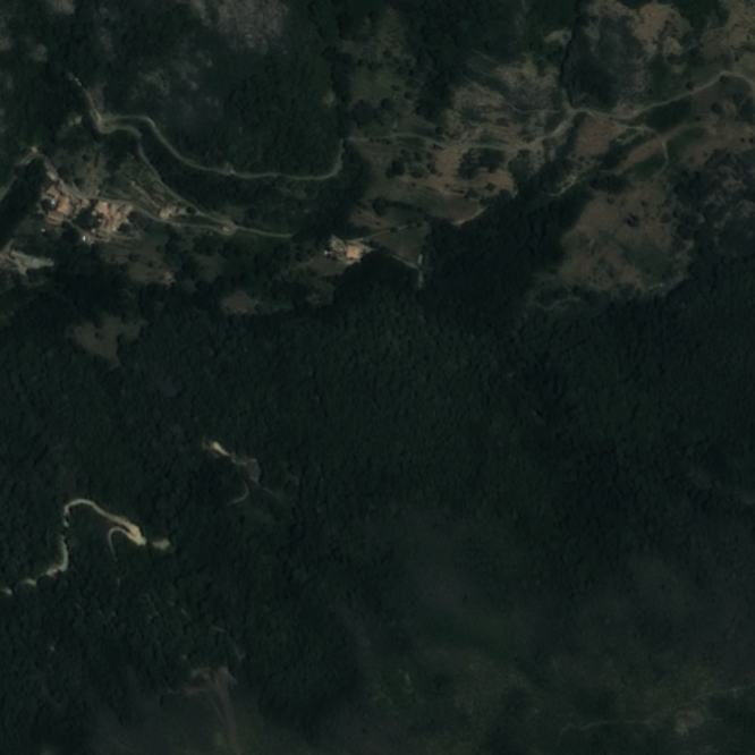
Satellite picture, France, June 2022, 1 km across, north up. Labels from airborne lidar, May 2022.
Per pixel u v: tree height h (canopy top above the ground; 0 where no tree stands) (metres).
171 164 7
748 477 12
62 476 10
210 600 13
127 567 7
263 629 16
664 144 0
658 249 0
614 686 0
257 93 16
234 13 0
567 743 0
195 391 8
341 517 11
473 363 13
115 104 7
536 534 14
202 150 10
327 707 10
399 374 12
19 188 9
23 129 10
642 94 0
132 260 11
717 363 11
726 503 7
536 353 20
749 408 17
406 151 7
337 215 19
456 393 13
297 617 15
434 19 13
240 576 7
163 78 6
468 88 0
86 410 13
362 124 30
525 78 0
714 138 0
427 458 13
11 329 13
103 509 9
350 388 16
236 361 15
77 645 6
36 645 12
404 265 9
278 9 0
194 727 0
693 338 12
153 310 21
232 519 9
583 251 0
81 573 11
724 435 17
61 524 13
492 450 9
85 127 10
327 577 12
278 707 10
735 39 0
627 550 6
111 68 13
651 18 0
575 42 21
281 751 0
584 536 15
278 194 7
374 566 13
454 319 8
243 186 18
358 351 13
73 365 10
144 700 0
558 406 13
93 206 11
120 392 18
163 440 15
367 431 12
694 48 6
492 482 10
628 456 21
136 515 8
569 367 21
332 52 13
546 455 11
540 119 0
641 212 0
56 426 8
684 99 0
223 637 9
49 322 14
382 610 7
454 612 0
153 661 10
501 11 11
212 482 10
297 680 15
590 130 0
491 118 0
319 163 9
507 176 0
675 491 10
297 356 13
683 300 21
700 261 8
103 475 14
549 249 11
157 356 11
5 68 10
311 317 24
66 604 13
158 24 12
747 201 7
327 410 12
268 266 14
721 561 6
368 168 10
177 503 13
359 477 14
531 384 16
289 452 10
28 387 11
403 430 11
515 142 0
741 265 15
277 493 0
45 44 9
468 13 9
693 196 9
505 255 22
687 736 0
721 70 0
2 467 10
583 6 21
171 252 15
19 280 9
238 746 0
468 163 6
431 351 15
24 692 11
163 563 16
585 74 8
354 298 23
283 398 12
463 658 0
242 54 0
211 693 0
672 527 12
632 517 13
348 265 0
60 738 9
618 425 8
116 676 9
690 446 9
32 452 7
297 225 7
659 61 0
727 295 18
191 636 11
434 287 10
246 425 10
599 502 11
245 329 19
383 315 12
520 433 10
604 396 17
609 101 7
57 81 17
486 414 9
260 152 11
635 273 0
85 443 13
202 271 19
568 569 16
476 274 18
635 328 11
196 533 16
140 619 11
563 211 11
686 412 14
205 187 10
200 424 11
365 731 6
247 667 7
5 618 10
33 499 10
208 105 0
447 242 15
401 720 0
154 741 0
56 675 10
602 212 0
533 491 13
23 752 13
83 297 27
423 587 0
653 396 14
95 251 12
